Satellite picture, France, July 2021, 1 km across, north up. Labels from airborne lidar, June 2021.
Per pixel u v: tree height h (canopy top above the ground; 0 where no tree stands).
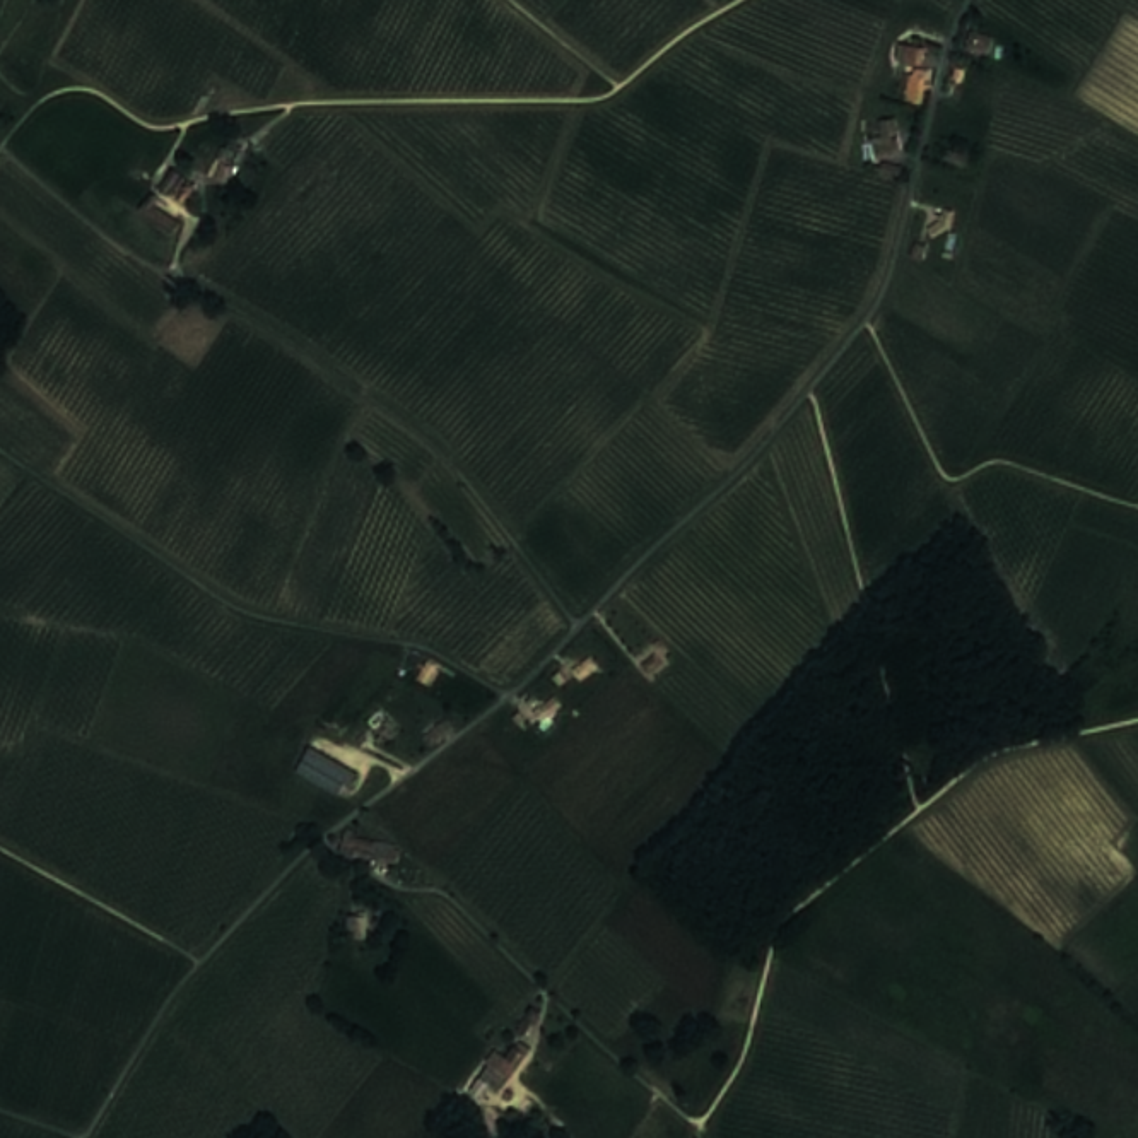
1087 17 0
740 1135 0
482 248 0
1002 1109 0
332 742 0
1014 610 20
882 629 20
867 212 0
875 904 0
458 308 0
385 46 0
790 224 0
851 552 0
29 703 0
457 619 0
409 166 0
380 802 0
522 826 0
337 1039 0
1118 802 0
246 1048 0
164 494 0
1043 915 0
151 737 0
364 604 0
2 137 0
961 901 0
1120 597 0
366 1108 0
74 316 0
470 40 0
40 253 0
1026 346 0
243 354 0
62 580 0
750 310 0
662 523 0
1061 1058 0
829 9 0
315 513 0
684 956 0
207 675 0
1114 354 0
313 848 13
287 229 0
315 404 0
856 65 0
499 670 0
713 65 0
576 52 0
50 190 0
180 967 0
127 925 0
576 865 0
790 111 0
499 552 18
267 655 0
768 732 13
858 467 0
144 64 0
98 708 0
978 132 0
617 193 0
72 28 0
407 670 0
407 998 0
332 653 0
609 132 0
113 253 0
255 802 0
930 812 0
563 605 0
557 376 0
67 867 0
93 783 0
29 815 0
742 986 0
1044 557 0
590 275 0
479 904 0
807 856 25
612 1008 0
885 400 0
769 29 0
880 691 19
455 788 0
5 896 0
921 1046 0
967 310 0
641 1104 0
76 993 0
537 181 0
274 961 0
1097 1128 10
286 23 0
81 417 0
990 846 0
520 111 0
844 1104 0
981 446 0
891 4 0
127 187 0
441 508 0
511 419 0
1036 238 0
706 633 0
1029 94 0
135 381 0
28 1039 0
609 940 0
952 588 25
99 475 0
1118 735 0
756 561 0
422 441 0
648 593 0
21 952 0
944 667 22
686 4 0
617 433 0
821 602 0
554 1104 0
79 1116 0
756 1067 0
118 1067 0
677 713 0
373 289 0
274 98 0
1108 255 0
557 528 0
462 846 0
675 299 0
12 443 0
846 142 0
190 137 0
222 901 0
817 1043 0
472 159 0
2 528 0
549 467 0
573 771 0
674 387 0
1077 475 0
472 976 0
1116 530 0
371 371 0
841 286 0
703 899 19
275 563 0
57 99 0
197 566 0
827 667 21
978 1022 0
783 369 0
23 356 0
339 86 0
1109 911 0
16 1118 0
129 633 0
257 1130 15
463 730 0
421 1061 0
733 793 18
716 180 0
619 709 0
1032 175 0
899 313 0
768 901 21
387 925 10
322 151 0
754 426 0
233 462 0
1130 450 0
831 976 0
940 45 8
